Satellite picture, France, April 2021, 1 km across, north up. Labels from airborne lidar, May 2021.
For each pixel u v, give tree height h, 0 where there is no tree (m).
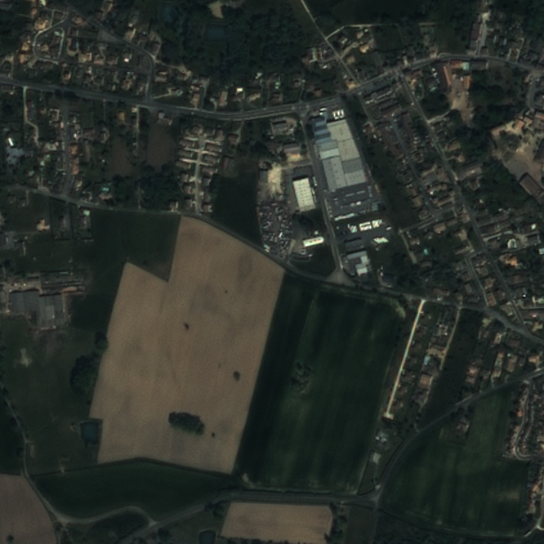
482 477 0
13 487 0
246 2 0
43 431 0
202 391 0
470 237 7
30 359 0
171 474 0
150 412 0
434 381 5
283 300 0
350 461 0
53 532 0
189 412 0
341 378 0
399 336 8
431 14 13
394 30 7
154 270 0
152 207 20
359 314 0
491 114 13
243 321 0
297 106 0
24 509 0
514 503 0
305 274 0
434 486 0
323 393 0
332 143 0
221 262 0
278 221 0
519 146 13
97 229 0
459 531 0
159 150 0
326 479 0
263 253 0
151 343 0
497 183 9
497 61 0
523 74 6
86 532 0
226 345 0
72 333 0
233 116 0
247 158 0
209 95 6
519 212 0
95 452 0
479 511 0
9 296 0
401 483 0
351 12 0
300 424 0
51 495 0
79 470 0
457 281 10
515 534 0
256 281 0
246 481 0
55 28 0
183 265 0
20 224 0
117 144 0
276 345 0
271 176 0
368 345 0
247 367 0
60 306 0
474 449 0
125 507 0
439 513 0
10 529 0
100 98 0
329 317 0
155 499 0
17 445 0
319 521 0
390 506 0
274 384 0
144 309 0
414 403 10
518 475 0
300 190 0
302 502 0
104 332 0
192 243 0
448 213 0
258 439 0
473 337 8
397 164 8
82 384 24
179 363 0
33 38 0
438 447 0
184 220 0
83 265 0
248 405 0
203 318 0
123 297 0
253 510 0
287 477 0
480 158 16
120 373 0
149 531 0
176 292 0
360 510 0
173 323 0
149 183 19
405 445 0
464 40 12
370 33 8
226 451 0
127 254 0
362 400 0
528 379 0
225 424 0
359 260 0
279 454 0
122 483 0
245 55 20
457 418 11
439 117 0
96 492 0
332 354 0
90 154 0
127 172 0
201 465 0
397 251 0
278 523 0
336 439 0
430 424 0
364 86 0
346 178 0
